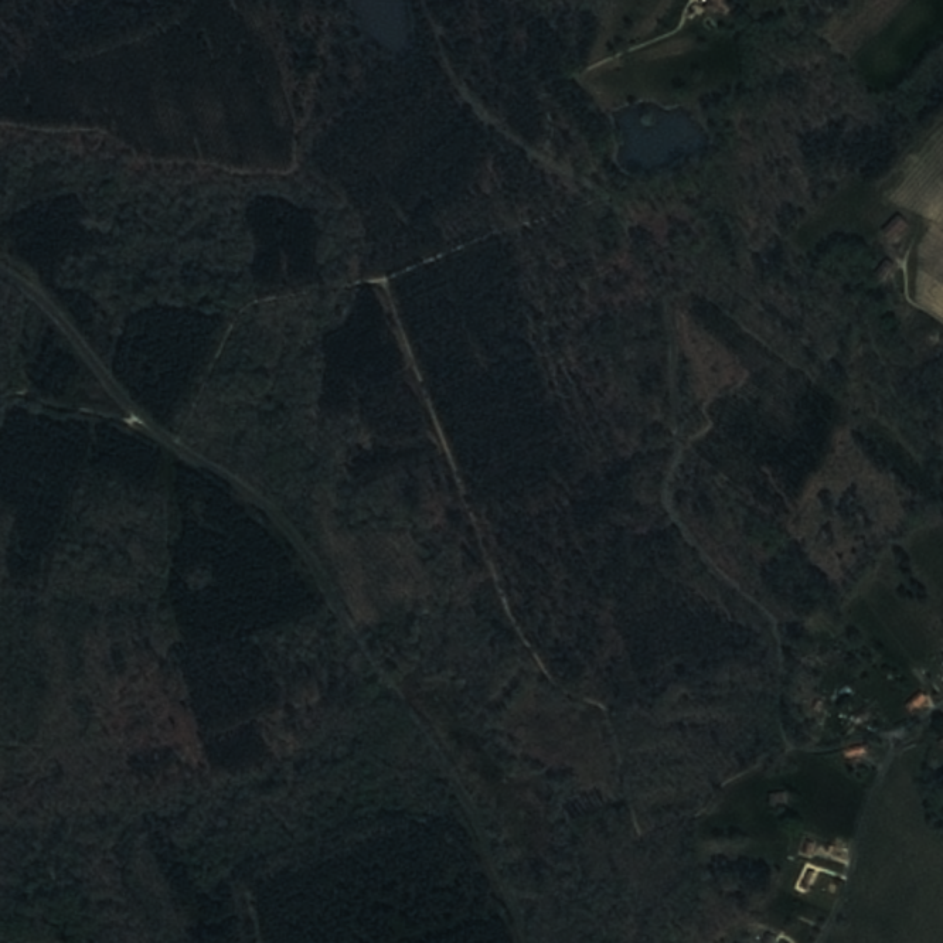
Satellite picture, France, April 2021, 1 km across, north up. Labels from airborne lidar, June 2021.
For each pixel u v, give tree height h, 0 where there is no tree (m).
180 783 16
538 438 18
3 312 17
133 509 12
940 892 0
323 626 13
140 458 14
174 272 23
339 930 14
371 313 13
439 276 15
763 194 12
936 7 0
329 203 17
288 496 13
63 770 12
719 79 0
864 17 0
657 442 11
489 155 16
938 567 0
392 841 11
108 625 14
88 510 13
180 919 20
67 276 10
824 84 7
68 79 11
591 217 21
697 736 15
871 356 16
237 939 18
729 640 10
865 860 0
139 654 12
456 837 14
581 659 16
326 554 20
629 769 14
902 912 0
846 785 0
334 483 24
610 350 17
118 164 11
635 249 9
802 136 10
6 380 16
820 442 7
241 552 12
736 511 8
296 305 13
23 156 19
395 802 7
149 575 13
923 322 0
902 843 0
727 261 16
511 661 15
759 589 14
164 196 21
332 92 14
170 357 18
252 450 20
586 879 13
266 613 13
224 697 19
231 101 9
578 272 15
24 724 18
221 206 14
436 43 18
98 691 15
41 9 20
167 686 9
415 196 15
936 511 19
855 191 0
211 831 8
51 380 13
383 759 9
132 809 24
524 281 18
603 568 10
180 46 10
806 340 7
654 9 0
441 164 16
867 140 17
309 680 12
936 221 0
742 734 13
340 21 7
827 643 0
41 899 18
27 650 20
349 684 14
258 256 8
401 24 0
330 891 15
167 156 10
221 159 9
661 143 0
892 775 0
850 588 17
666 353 16
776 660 12
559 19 16
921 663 0
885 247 0
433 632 15
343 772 14
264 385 25
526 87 14
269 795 19
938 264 0
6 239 10
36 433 13
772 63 11
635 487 11
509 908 12
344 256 16
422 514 17
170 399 18
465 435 18
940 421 17
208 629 13
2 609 18
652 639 15
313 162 18
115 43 21
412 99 14
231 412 13
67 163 17
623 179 13
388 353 11
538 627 21
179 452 0
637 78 0
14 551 12
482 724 12
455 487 18
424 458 9
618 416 13
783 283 13
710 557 9
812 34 12
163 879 21
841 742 8
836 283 17
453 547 18
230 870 19
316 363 15
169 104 6
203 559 14
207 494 12
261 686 19
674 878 17
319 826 17
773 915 0
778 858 0
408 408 19
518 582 18
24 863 13
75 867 15
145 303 18
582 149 14
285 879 14
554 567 18
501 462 9
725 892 18
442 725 14
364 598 24
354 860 11
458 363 14
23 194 7
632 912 15
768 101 11
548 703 12
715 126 27
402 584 22
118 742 9
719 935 6
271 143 9
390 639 8
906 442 11
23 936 20
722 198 15
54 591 16
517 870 12
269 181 11
